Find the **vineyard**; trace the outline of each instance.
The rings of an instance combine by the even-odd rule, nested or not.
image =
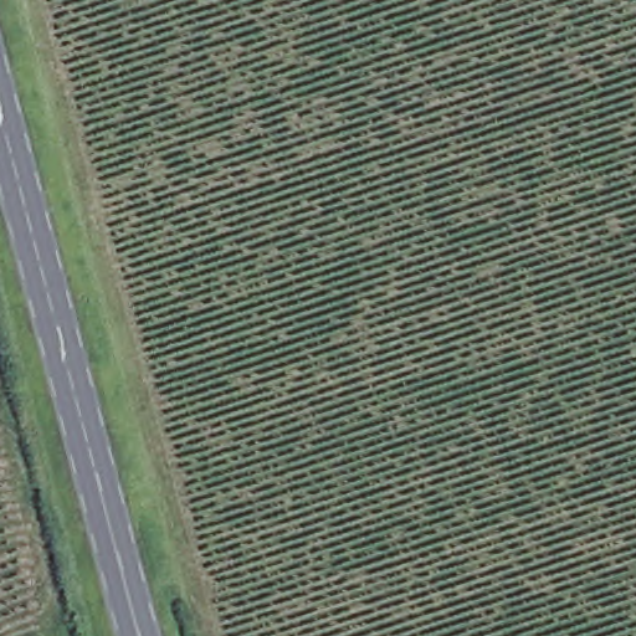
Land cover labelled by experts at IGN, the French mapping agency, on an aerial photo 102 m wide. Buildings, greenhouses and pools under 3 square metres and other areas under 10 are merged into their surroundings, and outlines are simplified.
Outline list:
[[[5,529],[0,527],[0,636],[35,636],[40,631],[40,621],[30,616],[30,604],[35,604],[35,574],[20,574],[15,542],[7,542]]]
[[[117,248],[117,261],[129,286],[129,293],[144,298],[134,301],[134,316],[142,330],[157,390],[166,395],[166,400],[171,400],[171,405],[161,412],[166,420],[166,435],[176,452],[176,467],[186,475],[184,492],[189,499],[189,509],[194,514],[204,569],[209,576],[219,581],[219,596],[211,599],[224,626],[219,636],[636,636],[636,0],[60,0],[57,12],[52,17],[52,27],[60,45],[70,45],[75,50],[75,55],[67,57],[65,65],[72,77],[77,112],[84,117],[84,142],[89,149],[94,149],[94,166],[99,171],[102,206],[109,221],[109,239]]]

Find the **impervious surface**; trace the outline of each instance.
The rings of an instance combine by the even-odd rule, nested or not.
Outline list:
[[[102,417],[94,378],[82,343],[80,320],[75,313],[55,226],[47,211],[47,199],[30,144],[30,132],[17,99],[15,77],[10,70],[0,30],[0,209],[7,224],[22,293],[30,308],[50,395],[65,437],[67,460],[80,494],[114,636],[164,636],[159,631],[159,621],[154,614],[129,507],[122,492],[112,442]]]

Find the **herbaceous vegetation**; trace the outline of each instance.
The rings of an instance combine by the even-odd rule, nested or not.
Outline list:
[[[80,494],[67,460],[65,437],[50,395],[30,308],[22,293],[7,224],[0,209],[0,353],[5,375],[17,395],[22,430],[40,484],[45,522],[52,537],[60,579],[65,586],[67,604],[75,611],[80,636],[114,636]]]
[[[219,636],[224,626],[211,599],[219,596],[219,581],[209,576],[204,569],[194,514],[189,509],[189,499],[184,492],[186,475],[176,467],[176,452],[166,435],[166,420],[161,412],[171,405],[171,400],[166,400],[166,395],[157,390],[142,330],[134,316],[134,301],[144,298],[129,293],[129,286],[117,261],[117,248],[109,239],[109,221],[102,206],[99,171],[94,166],[94,149],[89,149],[84,142],[84,117],[77,112],[72,77],[65,65],[67,57],[75,55],[75,50],[70,45],[60,45],[52,27],[52,17],[57,12],[60,0],[0,0],[0,30],[10,70],[15,77],[17,99],[30,132],[30,144],[47,199],[47,211],[55,226],[75,313],[80,320],[82,343],[94,378],[102,417],[112,442],[122,492],[129,507],[154,614],[159,621],[159,631],[164,636],[176,636],[179,631],[171,616],[171,599],[181,599],[184,606],[194,609],[199,619],[199,631],[194,636]]]
[[[0,398],[0,527],[5,529],[7,542],[15,542],[20,574],[35,574],[35,604],[30,604],[30,616],[40,621],[40,631],[35,636],[67,636],[70,631],[65,629],[65,621],[55,614],[57,594],[52,589],[52,579],[47,571],[47,557],[32,504],[22,502],[22,487],[27,479],[25,465],[17,450],[15,432],[10,427],[12,417],[7,402]]]

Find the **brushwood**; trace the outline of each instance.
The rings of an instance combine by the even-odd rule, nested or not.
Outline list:
[[[65,629],[70,631],[67,636],[80,636],[75,611],[67,604],[65,586],[60,579],[52,537],[45,522],[40,484],[22,430],[17,395],[5,375],[0,353],[0,398],[7,402],[12,417],[10,427],[15,432],[17,450],[25,465],[27,479],[22,487],[22,502],[32,504],[47,557],[47,571],[52,579],[52,589],[57,594],[55,614],[65,621]]]
[[[199,631],[199,619],[194,609],[184,606],[181,599],[171,599],[171,616],[179,631],[176,636],[194,636]]]

